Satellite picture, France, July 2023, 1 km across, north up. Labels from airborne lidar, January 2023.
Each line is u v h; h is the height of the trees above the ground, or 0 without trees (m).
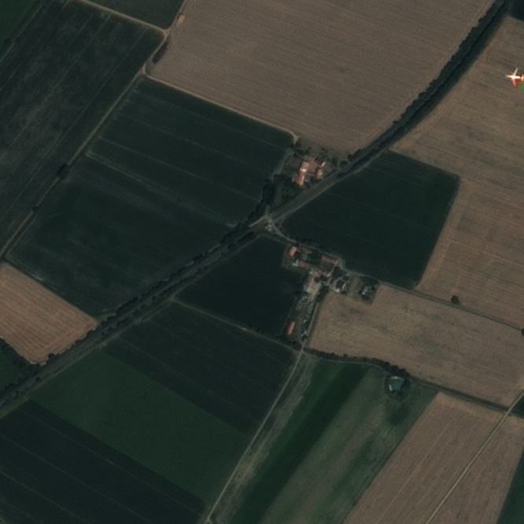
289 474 0
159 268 0
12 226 0
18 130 0
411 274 0
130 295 0
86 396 0
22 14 0
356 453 0
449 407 0
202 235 0
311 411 0
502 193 0
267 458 0
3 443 0
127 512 0
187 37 0
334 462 0
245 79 0
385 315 0
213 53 0
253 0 0
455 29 0
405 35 0
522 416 0
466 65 11
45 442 0
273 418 0
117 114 0
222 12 0
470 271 0
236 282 0
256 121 0
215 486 0
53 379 0
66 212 0
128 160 0
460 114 0
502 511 0
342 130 0
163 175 0
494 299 0
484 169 0
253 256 0
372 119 0
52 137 0
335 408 0
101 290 0
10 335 0
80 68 0
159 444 0
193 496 0
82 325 0
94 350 0
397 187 0
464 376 0
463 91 0
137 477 0
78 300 0
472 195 0
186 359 0
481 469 0
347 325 0
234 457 0
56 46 0
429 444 0
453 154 0
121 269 0
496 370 0
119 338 0
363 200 0
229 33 0
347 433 0
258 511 0
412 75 0
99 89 0
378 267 0
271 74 0
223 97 0
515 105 0
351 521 0
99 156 0
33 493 0
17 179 0
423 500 0
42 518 0
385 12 0
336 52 0
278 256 0
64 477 0
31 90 0
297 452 0
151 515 0
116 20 0
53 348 0
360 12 0
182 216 0
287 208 0
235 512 0
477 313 0
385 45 0
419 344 0
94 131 0
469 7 0
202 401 0
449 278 0
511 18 0
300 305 0
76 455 0
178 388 0
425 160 0
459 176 0
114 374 0
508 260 0
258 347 0
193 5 0
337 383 0
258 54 0
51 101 0
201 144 0
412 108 9
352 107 0
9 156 0
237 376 0
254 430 0
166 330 0
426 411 0
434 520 0
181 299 0
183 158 0
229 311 0
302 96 0
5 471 0
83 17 0
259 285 0
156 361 0
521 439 0
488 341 0
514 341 0
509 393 0
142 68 0
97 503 0
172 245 0
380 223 0
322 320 0
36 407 0
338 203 0
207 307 0
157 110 0
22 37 0
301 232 0
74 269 0
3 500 0
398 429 0
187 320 0
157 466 0
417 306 0
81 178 0
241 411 0
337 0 0
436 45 0
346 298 0
